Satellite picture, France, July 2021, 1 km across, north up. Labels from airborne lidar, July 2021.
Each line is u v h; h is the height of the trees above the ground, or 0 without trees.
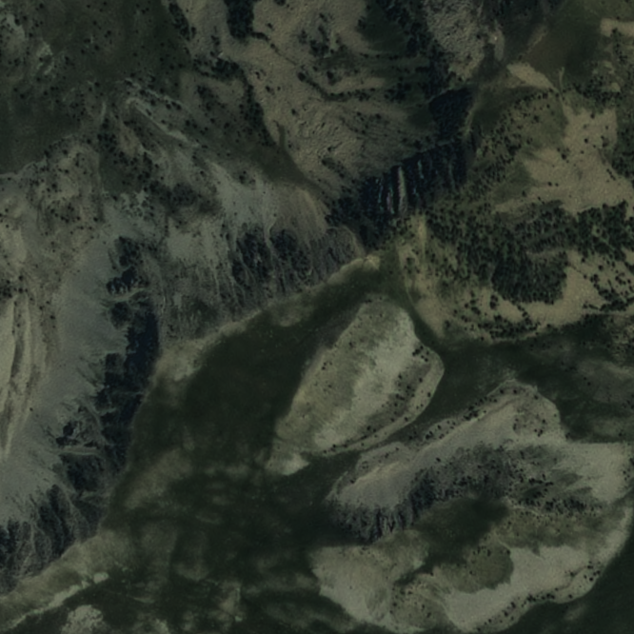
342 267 0
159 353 0
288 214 0
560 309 0
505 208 0
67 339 0
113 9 0
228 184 0
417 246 0
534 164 0
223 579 0
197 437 0
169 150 0
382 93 0
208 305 0
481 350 0
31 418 0
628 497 0
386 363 0
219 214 0
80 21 0
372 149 0
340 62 0
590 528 0
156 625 0
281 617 0
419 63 0
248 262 8
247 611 0
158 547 0
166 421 0
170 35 0
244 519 0
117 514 0
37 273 0
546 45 0
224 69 13
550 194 0
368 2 0
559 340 0
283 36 0
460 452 0
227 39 0
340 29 0
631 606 0
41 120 0
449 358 0
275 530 0
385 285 0
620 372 0
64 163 0
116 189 0
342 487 0
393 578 0
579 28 0
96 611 0
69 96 0
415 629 0
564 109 0
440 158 9
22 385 0
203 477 0
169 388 0
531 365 0
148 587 0
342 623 0
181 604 0
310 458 0
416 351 7
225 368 0
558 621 0
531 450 0
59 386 0
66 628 0
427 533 0
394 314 0
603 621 0
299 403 0
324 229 0
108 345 0
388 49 0
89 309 0
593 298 0
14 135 0
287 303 0
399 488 0
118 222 0
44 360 0
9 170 0
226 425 0
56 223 0
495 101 0
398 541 0
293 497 0
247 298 0
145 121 0
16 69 0
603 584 0
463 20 0
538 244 8
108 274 0
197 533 0
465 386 0
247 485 0
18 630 0
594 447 0
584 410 0
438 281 0
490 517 0
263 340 0
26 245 0
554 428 0
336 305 0
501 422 0
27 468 0
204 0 0
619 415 0
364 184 0
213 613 0
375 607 0
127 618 0
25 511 0
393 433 0
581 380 0
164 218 0
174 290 0
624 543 0
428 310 0
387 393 0
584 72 0
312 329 0
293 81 0
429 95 9
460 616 0
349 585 0
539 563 0
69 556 0
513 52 0
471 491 0
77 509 0
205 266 0
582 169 0
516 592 0
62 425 0
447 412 0
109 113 0
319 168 0
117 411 0
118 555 0
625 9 0
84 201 0
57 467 0
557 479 0
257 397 0
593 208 11
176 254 0
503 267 8
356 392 0
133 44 0
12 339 0
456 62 0
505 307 0
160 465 0
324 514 0
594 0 0
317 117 0
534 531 0
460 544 0
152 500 0
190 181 0
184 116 0
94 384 0
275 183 0
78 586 0
